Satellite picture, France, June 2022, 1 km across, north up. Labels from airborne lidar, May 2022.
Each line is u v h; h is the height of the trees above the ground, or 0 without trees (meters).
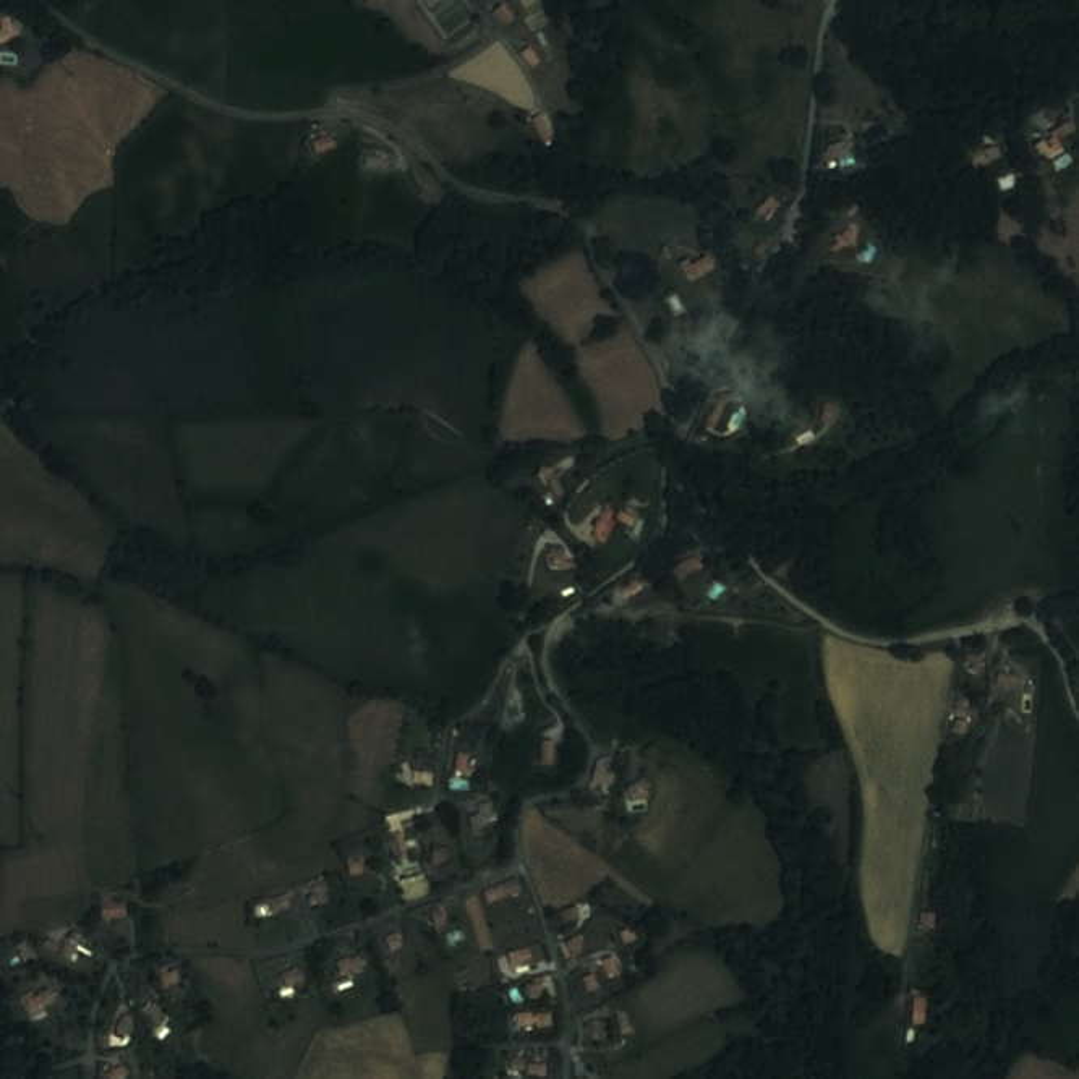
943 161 24
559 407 0
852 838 6
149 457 0
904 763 0
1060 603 17
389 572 0
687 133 0
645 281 30
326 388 0
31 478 0
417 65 0
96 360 0
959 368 0
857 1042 0
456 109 0
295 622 0
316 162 0
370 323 0
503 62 0
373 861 10
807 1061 28
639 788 0
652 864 0
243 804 0
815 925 28
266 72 0
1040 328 0
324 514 0
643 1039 0
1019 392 23
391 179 0
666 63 0
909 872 0
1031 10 34
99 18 0
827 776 0
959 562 0
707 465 30
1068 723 0
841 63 0
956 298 0
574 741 16
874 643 0
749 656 0
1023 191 16
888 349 21
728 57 0
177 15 0
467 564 0
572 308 0
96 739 0
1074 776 0
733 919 0
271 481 0
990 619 0
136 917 11
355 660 0
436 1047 0
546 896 0
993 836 9
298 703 0
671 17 7
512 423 0
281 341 0
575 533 0
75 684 0
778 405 7
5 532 0
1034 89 21
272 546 7
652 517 6
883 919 0
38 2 25
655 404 0
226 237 20
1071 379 18
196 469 0
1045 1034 0
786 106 0
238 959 0
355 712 0
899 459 17
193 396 0
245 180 0
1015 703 0
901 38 17
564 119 23
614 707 6
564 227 18
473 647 0
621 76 6
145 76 0
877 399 12
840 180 15
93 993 12
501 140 0
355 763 0
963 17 31
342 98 0
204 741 0
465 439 0
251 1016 0
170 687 0
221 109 0
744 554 20
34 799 0
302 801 0
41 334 23
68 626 0
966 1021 16
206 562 7
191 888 0
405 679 0
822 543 17
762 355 27
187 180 0
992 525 0
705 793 0
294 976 0
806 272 16
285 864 0
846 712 0
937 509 0
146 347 0
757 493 30
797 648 0
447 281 18
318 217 0
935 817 14
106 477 0
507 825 12
